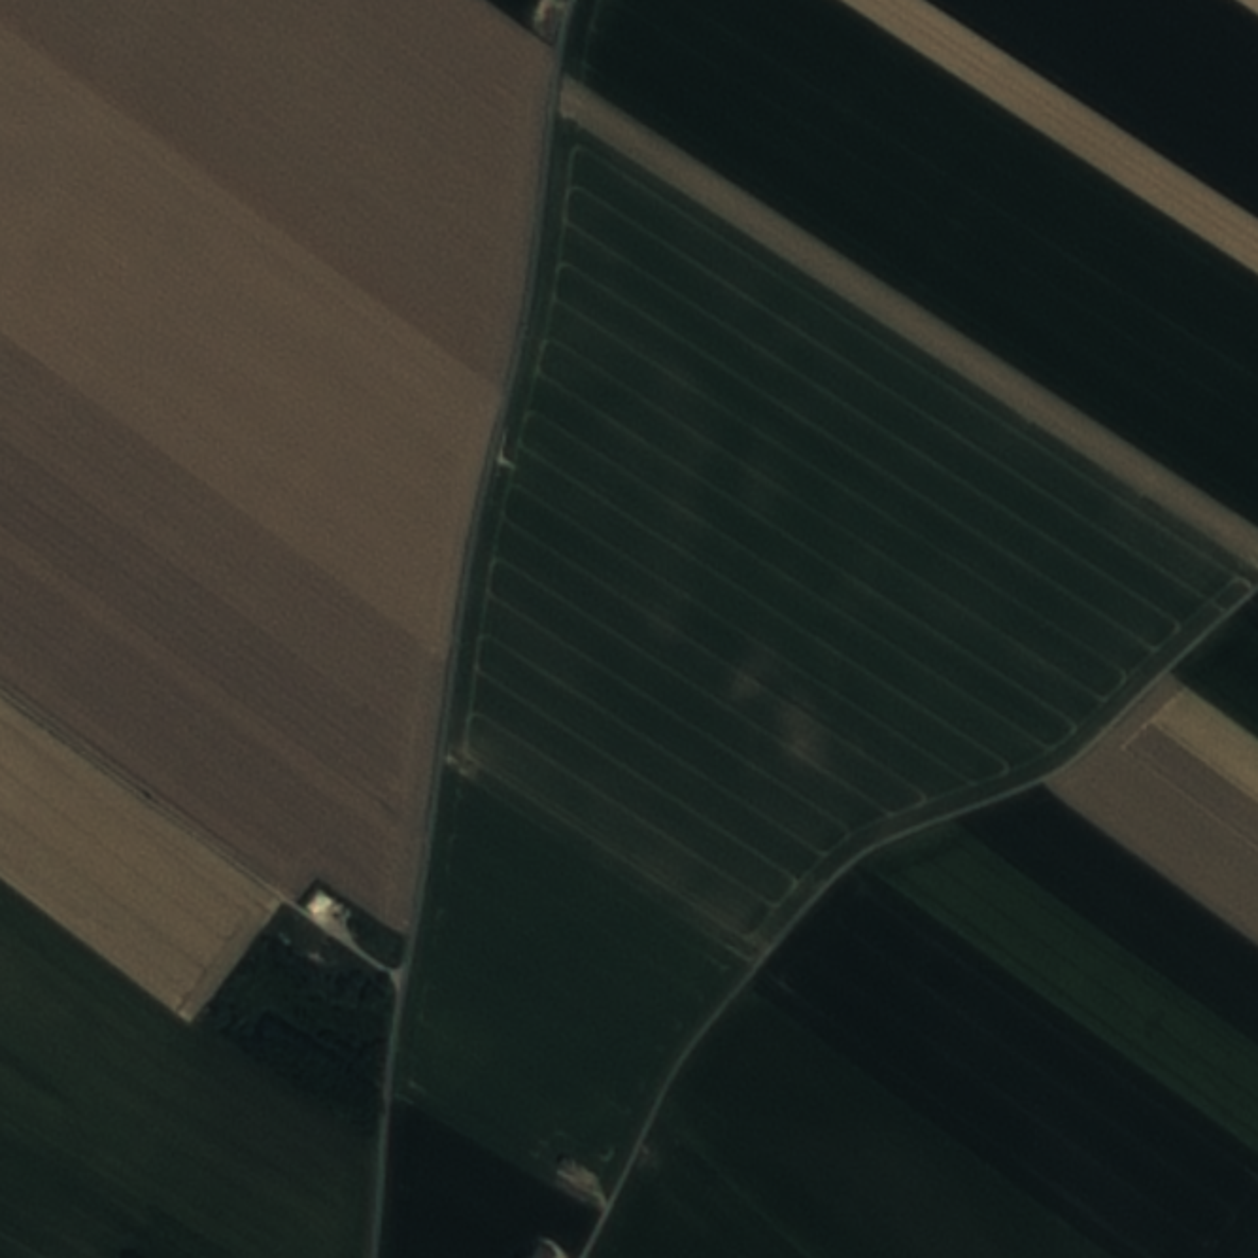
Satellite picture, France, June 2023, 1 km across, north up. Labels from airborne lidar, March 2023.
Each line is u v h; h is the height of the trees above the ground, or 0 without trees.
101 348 0
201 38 0
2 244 0
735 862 0
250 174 0
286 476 0
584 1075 0
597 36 0
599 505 0
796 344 0
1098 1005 0
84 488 0
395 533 0
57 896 0
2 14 0
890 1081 0
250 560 0
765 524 0
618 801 0
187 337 0
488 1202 0
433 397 0
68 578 0
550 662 0
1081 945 0
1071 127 0
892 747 0
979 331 0
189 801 0
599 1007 0
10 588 0
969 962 0
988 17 0
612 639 0
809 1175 0
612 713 0
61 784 0
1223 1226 0
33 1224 0
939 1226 0
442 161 0
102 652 0
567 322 0
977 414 0
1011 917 0
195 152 0
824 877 0
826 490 0
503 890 0
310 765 0
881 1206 0
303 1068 17
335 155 0
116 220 0
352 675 0
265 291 0
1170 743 0
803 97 0
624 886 0
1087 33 0
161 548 0
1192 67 0
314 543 0
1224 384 0
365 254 0
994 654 0
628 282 0
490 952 0
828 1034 0
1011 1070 0
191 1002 0
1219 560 0
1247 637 0
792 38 0
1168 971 0
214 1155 0
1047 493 0
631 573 0
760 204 0
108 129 0
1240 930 0
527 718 0
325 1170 0
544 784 0
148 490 0
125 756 0
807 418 0
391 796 0
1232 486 0
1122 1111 0
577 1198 0
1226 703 0
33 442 0
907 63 0
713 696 0
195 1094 0
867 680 0
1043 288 0
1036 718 0
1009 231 0
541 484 0
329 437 0
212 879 0
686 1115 0
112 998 0
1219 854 0
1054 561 0
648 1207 0
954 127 0
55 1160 0
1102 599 0
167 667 0
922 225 0
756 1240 0
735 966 0
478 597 0
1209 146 0
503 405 0
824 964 0
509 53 0
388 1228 0
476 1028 0
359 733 0
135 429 0
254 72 0
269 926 0
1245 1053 0
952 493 0
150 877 0
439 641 0
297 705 0
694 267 0
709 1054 0
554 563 0
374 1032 0
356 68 0
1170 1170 0
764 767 0
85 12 0
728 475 0
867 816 0
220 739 0
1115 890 0
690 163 0
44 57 0
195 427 0
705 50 0
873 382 0
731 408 0
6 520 0
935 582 0
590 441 0
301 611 0
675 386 0
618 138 0
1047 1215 0
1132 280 0
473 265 0
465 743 0
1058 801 0
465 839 0
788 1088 0
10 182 0
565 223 0
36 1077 0
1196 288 0
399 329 0
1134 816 0
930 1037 0
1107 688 0
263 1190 0
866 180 0
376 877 0
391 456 0
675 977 0
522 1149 0
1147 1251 0
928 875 0
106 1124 0
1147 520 0
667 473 0
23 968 0
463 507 0
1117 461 0
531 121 0
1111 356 0
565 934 0
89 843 0
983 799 0
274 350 0
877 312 0
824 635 0
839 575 0
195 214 0
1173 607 0
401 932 0
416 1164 0
